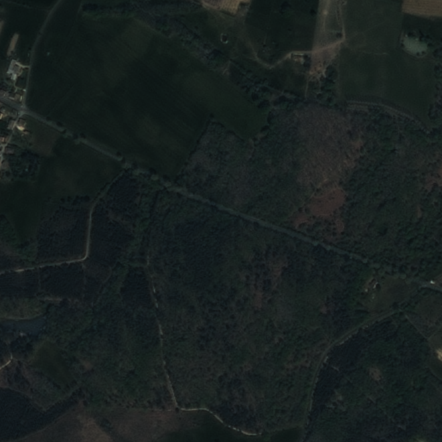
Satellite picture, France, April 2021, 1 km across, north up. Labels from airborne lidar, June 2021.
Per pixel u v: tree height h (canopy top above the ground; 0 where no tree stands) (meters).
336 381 7
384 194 15
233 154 14
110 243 11
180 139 0
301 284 17
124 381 21
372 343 15
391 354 13
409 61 0
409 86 0
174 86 0
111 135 0
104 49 0
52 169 0
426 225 11
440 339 0
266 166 11
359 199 15
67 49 0
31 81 0
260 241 12
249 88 11
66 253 7
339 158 26
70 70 0
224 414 17
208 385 15
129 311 17
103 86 0
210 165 12
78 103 0
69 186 0
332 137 23
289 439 0
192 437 0
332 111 27
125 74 0
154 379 12
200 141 10
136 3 18
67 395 12
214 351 10
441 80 15
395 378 17
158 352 18
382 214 13
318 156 19
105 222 11
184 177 12
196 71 0
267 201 13
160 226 14
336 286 15
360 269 13
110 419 0
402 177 14
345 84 0
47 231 6
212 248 19
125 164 18
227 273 13
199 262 20
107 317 22
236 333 9
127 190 12
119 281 19
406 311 7
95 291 9
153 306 13
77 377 21
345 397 18
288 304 22
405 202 10
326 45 0
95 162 0
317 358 8
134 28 0
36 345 14
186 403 12
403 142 22
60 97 0
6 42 0
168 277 14
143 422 0
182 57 0
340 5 0
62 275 11
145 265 16
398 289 0
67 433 0
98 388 21
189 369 9
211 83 0
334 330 15
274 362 18
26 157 11
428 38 9
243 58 0
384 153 15
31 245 14
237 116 0
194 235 20
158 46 0
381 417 14
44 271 12
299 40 0
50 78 0
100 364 15
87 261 9
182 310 12
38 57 0
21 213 0
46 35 0
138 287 11
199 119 0
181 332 14
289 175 16
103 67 0
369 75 0
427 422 10
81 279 9
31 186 0
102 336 23
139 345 18
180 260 13
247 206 9
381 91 0
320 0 0
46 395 11
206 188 9
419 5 0
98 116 0
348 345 8
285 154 16
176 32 16
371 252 10
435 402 13
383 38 0
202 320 10
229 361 8
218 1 0
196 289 18
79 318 17
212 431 0
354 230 11
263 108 23
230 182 12
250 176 12
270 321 14
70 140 0
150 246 13
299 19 0
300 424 16
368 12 0
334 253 12
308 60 15
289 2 0
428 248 11
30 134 11
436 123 23
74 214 6
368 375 15
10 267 9
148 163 0
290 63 0
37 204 0
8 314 16
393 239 9
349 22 0
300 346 14
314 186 18
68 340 15
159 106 0
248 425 14
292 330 11
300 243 17
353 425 16
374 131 16
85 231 9
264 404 19
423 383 10
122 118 0
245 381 10
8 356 14
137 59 0
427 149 12
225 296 12
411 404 13
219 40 0
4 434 8
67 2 0
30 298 16
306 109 27
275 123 21
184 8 24
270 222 12
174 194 17
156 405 9
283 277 13
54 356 0
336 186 7
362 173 12
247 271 9
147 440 0
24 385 11
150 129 0
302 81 0
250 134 0
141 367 17
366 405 9
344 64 0
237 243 14
